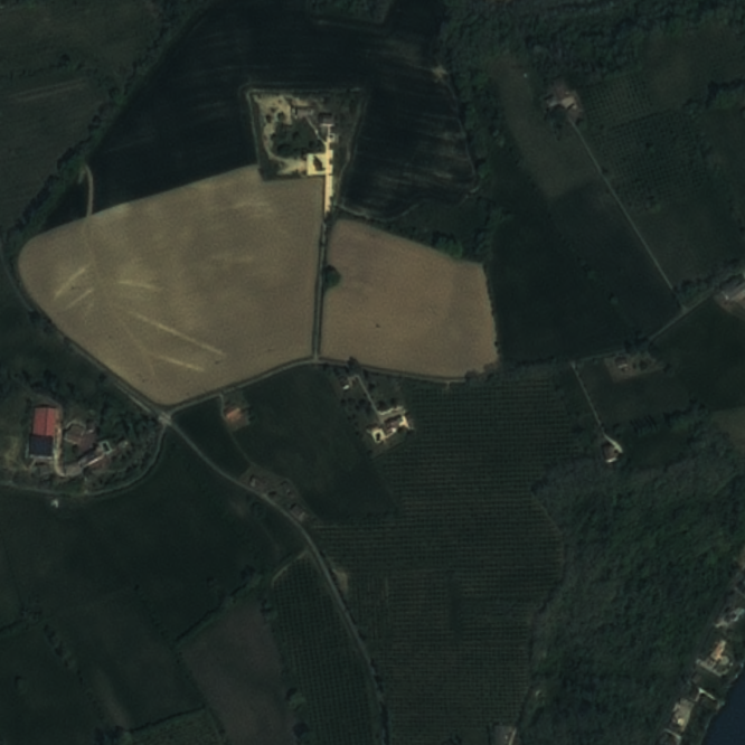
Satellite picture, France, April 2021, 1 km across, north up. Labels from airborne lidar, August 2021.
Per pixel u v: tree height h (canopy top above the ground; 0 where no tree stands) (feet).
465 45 73
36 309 0
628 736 82
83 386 0
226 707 0
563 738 66
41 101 0
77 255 0
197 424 0
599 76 59
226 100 0
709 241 0
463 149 0
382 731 0
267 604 44
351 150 0
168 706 0
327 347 0
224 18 0
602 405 0
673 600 54
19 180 0
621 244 0
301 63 0
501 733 0
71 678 0
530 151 0
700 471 66
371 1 36
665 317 0
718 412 0
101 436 47
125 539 0
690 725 0
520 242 0
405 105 0
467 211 0
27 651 0
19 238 56
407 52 0
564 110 35
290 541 0
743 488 119
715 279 46
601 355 0
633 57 50
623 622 69
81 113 0
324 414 0
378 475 0
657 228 0
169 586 0
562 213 0
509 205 0
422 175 0
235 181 0
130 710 0
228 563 0
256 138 0
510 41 66
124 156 0
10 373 35
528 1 74
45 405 0
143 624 0
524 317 0
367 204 0
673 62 0
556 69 48
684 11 51
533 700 41
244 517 0
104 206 0
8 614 0
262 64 0
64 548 0
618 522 66
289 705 38
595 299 0
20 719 0
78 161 77
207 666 0
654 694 40
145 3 34
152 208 0
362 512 0
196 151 0
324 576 0
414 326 0
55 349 0
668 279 0
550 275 0
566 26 49
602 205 0
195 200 0
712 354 0
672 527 29
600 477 59
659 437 0
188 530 0
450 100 0
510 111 0
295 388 0
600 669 59
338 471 0
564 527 49
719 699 21
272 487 0
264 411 0
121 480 26
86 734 0
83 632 0
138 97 0
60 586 0
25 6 30
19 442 0
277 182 0
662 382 0
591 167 0
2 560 0
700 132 24
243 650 0
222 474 0
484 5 82
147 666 0
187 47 0
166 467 0
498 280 0
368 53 0
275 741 0
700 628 22
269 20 0
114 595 0
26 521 0
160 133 0
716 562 52
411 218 0
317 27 0
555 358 24
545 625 71
